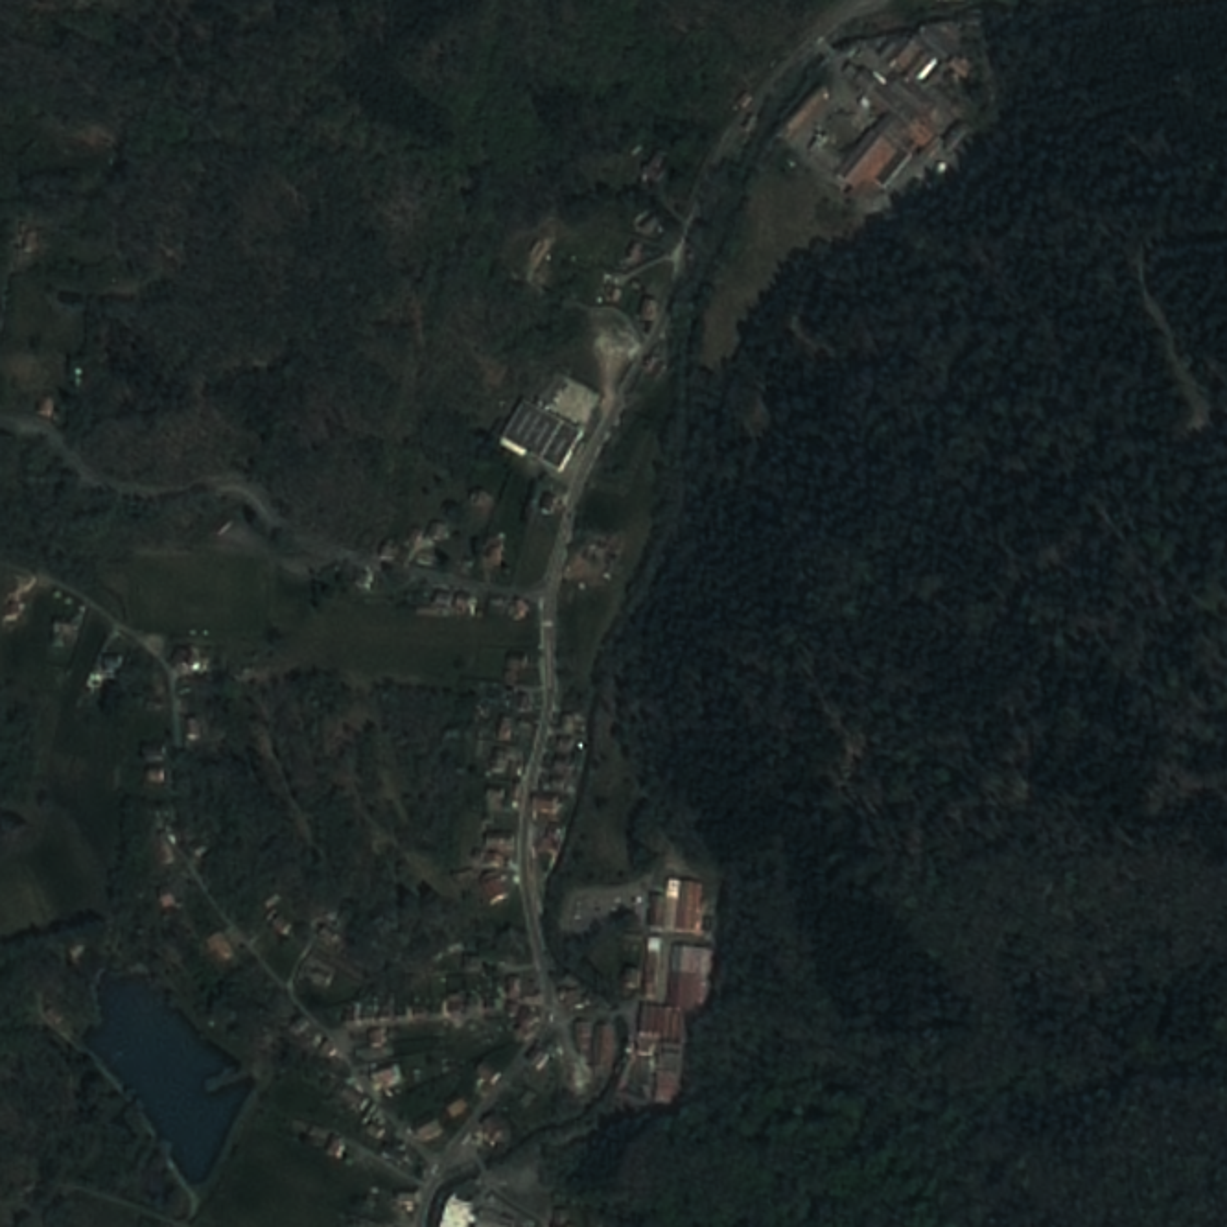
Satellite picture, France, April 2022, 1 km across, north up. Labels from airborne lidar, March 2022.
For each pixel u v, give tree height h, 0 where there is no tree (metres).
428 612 0
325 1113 0
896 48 0
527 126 19
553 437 0
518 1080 0
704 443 21
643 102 16
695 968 0
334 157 19
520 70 21
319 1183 0
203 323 21
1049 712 8
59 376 0
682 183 19
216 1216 0
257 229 20
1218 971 24
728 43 16
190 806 7
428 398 20
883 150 0
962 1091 29
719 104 8
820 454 6
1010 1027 24
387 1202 0
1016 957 13
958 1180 26
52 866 0
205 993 11
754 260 0
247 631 0
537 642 0
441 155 13
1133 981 27
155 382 9
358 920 8
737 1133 23
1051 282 23
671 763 14
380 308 21
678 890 0
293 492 11
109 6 8
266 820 24
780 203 0
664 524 16
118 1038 0
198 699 0
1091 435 25
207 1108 0
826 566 24
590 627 0
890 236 23
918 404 25
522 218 29
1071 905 21
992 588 19
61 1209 17
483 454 26
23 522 23
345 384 17
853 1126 21
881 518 20
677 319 8
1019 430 8
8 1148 17
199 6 14
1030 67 13
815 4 15
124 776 0
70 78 27
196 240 20
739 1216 19
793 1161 23
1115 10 18
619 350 0
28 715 18
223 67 14
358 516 11
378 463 15
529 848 0
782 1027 26
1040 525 9
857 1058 25
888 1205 21
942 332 24
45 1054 20
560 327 13
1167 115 19
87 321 8
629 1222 7
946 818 28
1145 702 25
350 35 19
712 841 20
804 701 19
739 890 23
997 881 24
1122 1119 31
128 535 22
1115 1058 30
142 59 15
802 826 25
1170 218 30
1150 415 32
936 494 22
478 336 24
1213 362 14
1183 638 7
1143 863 19
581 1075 0
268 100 13
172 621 0
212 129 23
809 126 0
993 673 22
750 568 21
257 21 18
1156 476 25
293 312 19
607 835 0
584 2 14
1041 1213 31
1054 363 26
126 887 12
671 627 20
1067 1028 31
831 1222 22
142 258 23
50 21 8
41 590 0
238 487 0
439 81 23
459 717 7
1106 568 16
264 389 22
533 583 0
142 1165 14
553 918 11
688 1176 24
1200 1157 29
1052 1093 25
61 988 19
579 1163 16
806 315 20
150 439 14
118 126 25
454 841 10
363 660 0
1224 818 18
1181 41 17
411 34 22
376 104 17
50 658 0
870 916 18
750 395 22
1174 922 23
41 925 0
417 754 9
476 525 0
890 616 16
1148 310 10
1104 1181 26
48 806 17
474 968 0
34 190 19
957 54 0
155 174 20
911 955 11
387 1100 13
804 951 19
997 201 24
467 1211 0
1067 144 31
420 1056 0
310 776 20
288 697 19
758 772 19
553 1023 0
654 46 17
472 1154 0
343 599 0
